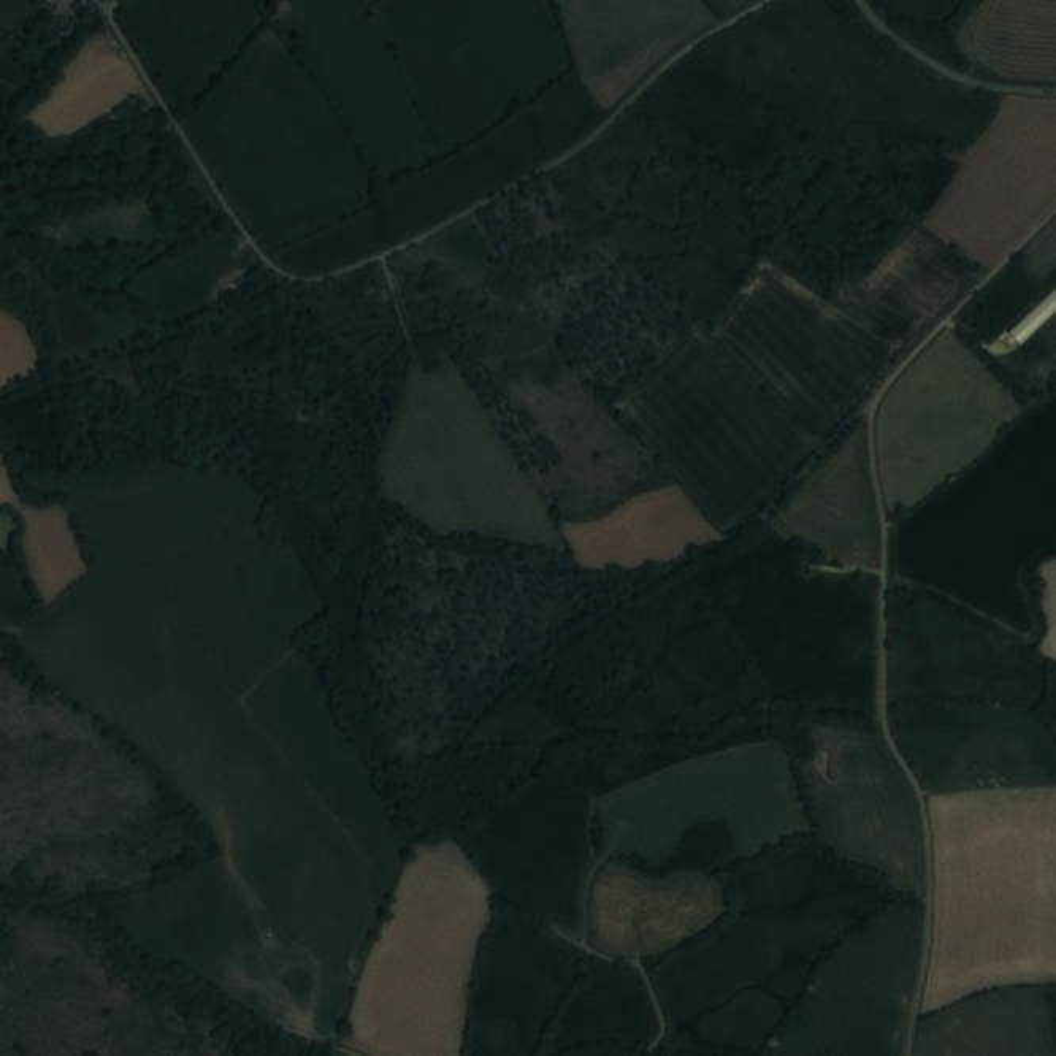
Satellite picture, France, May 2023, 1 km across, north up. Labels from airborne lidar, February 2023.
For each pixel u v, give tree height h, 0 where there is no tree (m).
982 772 0
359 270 0
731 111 0
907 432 0
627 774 0
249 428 15
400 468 0
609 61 0
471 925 0
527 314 0
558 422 0
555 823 0
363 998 0
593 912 0
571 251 6
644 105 0
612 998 0
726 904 7
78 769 0
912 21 0
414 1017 0
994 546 0
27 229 9
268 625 0
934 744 0
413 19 0
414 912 0
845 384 0
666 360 0
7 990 0
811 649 0
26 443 0
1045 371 0
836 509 0
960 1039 0
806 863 0
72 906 9
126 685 0
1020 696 0
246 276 8
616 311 14
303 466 14
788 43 0
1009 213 0
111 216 0
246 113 0
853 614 0
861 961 0
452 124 0
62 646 0
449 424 0
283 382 15
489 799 17
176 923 0
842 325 0
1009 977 0
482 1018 0
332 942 0
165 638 0
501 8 0
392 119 0
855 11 10
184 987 10
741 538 15
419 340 9
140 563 0
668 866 0
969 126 0
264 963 0
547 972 0
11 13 0
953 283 0
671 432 0
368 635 15
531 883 0
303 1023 0
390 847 0
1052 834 0
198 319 11
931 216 0
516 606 11
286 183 0
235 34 0
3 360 0
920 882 0
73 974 0
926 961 0
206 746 0
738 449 0
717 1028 0
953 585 0
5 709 0
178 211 14
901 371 0
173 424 15
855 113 0
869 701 0
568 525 0
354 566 8
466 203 0
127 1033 0
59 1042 0
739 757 0
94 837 0
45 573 0
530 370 0
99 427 14
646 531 0
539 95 11
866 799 0
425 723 6
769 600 0
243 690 0
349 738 8
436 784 14
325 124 0
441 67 0
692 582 9
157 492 0
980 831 0
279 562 0
